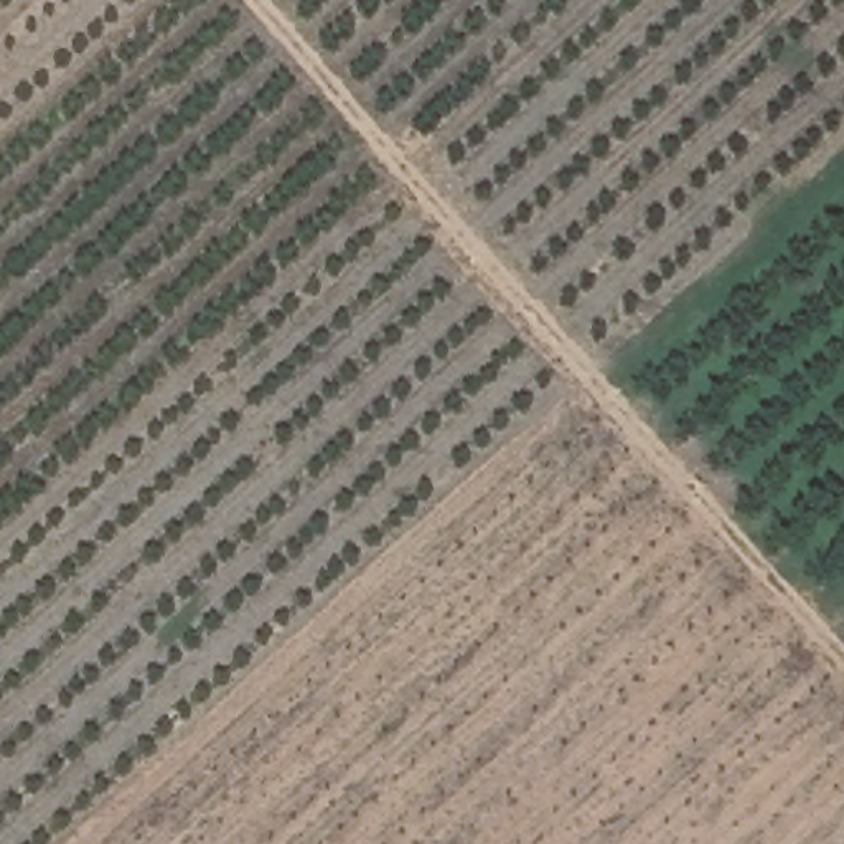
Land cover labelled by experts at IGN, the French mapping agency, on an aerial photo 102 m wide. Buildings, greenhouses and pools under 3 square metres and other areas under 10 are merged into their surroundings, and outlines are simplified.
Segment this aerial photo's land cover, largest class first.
<instances>
[{"label":"deciduous trees","instance_id":"1","mask_svg":"<svg viewBox=\"0 0 844 844\"><path fill-rule=\"evenodd\" d=\"M201 0H112L106 13L89 20V26L79 30L73 43L49 53L40 63V69L16 82V89L0 102V178L30 155V148L43 145L56 125H66L82 109V102L99 96L102 86L115 82L122 66H129L155 36H162L181 13H188ZM445 0H412L409 7H402V20L392 26L396 43H402L425 20H432ZM570 0H537L534 16L518 20L511 26V36L518 43L528 40L534 26L547 20V13H560ZM640 0H620L613 7H603L600 20L593 26H584L580 36L564 40L560 53L554 59L547 56L534 76H524L518 86H511V92L501 96L488 119L458 135L448 145V152L452 162H462L465 152L485 142V135L501 129L511 115H518L521 102L534 99L551 79H557ZM844 3V0H811L804 10L795 13V20L775 26L765 46H758L729 79H722L719 89L709 92L689 115H682L673 132L659 138V145L646 148L640 162L623 168L617 185L603 188L587 204L584 218L551 234V241L531 257L524 244L514 237V227L531 218V204L521 201L508 214L495 195L514 171H521L531 158H537L547 148V142L560 138L574 119L584 115V109H593L603 99L607 86L620 82L640 56H649V49L663 43L666 33H673L689 13H696L702 0H679L663 13L659 23L646 26L643 43L623 46L620 59L603 76L587 79V89L570 96L564 112L547 115V122L534 135H528L521 148H511L508 158L498 162L488 178L475 181L471 195L465 204H458V214L524 280L528 293L544 300L577 343H587L607 333L603 320L597 317L600 310L626 307V313H633L640 307L636 293H620L610 280L597 284L590 270H580L570 284L560 287L547 267L557 264V257H564L584 237V231H590L607 211H613L620 195L633 191L663 162H669L682 142L696 135L699 125H709L725 106H732V99L745 86H752L768 66H778L791 79L778 89L775 99H768L771 122H778L795 106L798 96L811 92V82L821 73H834L831 56L808 49L801 36ZM775 0H742L739 10L725 16L719 30L709 33V40H702L689 56L676 63L679 82H689L692 73H699L709 59H715L725 49V43L739 36V26H748ZM237 26L244 36V43L224 59L214 79L198 82L178 102V109L162 112L155 132L135 135L92 178L73 181L63 208L53 211L43 224H36L23 241H16L0 264V290L7 287V280L23 277L56 241L69 237L76 224H82L138 168H145L155 158L158 145L175 142V135L185 125L198 122L201 112L214 106L224 86L241 79L247 66H254L264 56L267 40L260 20L241 3L218 7L211 20L198 23L178 46L165 49L158 69L132 82V89H125V96H119L102 115H92L79 135L66 138L63 148L49 162H43L36 175L26 178L0 204V234L3 227H10L13 218L33 211L63 171L89 158V152L102 145L109 132L119 129L125 115H132L152 89L181 79L188 66L208 46L221 43L227 30ZM481 13L475 7L465 10V23L458 30H445L415 56L412 66L399 69L392 82L379 86L376 106L369 109L376 119L379 112H389L396 102H402L419 79L442 66L445 56H452L468 36L481 33ZM353 33V16L349 10H340L320 30V49H336ZM386 56L382 43H366L349 63V79H366ZM504 49L501 43H495V49L488 56L471 59L455 76V82L432 92L419 106L412 129L429 132L438 125L442 115L462 106L488 79L491 66H501ZM297 82V69L293 66L284 63L280 69H274L257 92H251L221 125L208 132L204 142H195L181 155V162H175L152 188L138 191V198L119 208L99 227L96 237L82 241L69 267H59L56 277L43 280L33 293H26L16 307H10L0 317V356L20 343V336L43 317L46 307L59 303V297L79 277L92 274L106 257H112L125 244V237L145 227L152 211L165 198L181 195L191 175L204 171L218 155H224L247 132L257 112L274 109L284 99V92ZM666 102V89L653 86L643 99L633 102L626 115L613 119L610 129L593 135L580 155H574L557 171L560 188H570L574 178L587 175L597 158L610 152V142L626 138L633 125H640L653 109ZM330 106L320 96H307L300 112L277 125L270 132V142H260L254 148V158L227 171L214 185V198L221 204L231 201L234 188H241L264 165L277 162V155L297 135L313 129ZM735 204L755 218L752 237L719 270L682 290L640 336L623 340L620 353L607 366V379L636 406V412L656 429V435L666 445L699 438L706 462L715 471L732 475L735 521L771 557L781 577H788L844 640V96L834 99V106L814 125H808L795 142L775 152V158H768L755 171V178H748L735 191ZM349 129L346 125L336 135L317 142L310 152H303L264 195V204H247L224 234H214L198 257H191L168 284L155 290V303L165 313H171L188 290H195L221 264H227L247 244L251 234L264 231V224L274 214H280L293 198H300L310 188V181H317L336 162L343 148V132ZM376 162L373 158L363 162L349 181L330 188L326 201L303 214L293 224V231L284 241H277V257L284 264L297 260L300 251H307L366 191H373ZM211 208L208 201H195L181 211L178 221L165 224L158 241L129 257V280H138L152 264L175 254L198 231ZM732 224L725 208H715L712 221L696 227L692 237L676 244V254L663 257L653 274L643 277L646 290H659V284L669 280L679 267H686L692 254L709 247L712 234ZM373 227H363L353 237H346V244L336 254H326L330 274H340L346 264L359 257L363 247L373 244ZM432 241V237H412V244L382 274H373L353 300H346L323 326H317L303 343H297L290 356H284L260 382H254L234 409L221 412V419L204 435H198L191 448H185L168 468H162L145 488H138L132 501L119 504L115 518H109L89 541H79L73 554H66L49 574H43L33 584V590L20 593L0 613V636H7V630H13L23 617H30L36 603L49 600L56 593V584L76 577V570H82L96 557V551L106 541L115 537V531L129 528L162 491L185 478L221 442V435L237 429L241 415L251 406L274 396L284 382L297 376V369L313 363V353L323 343H330L333 333L346 330L353 317H359L379 293H386L419 257H425ZM274 284L270 257L260 251L237 284H227L218 297H211L201 310L188 317V336L195 343L214 336L241 303L254 300L264 287ZM452 284L445 277H432V284L412 297V303L402 307L399 317H392L376 336L366 340L363 349L373 363L432 310L435 300L448 293ZM106 313V297L89 293L76 313H69L49 336H40L30 356L0 379V406H7L23 386H30L43 366H49L56 349L69 346ZM297 310V297L284 293L277 310L260 317V323L247 330L241 343H234L224 353L221 369H234L241 356L251 353V346H257ZM158 326V320L145 303L135 307L122 323H115V330L99 343L92 356L82 359V366L66 369L59 382L46 389V399L30 406L13 429L0 432V465L10 458L20 438L36 435L49 422V415L69 406L73 396H79L92 379H102L122 353L135 346V340L148 336ZM491 320V310L485 303L475 307L455 326H448L422 356H415V366L406 376L392 379L353 422L336 429L287 481L274 488L267 501L257 504V511L244 524H237L224 541H218L214 551L201 554L198 567H191L148 610H142L132 626L109 640L92 656V663L76 669L73 679L59 686V702L69 706L112 663L125 659V653L148 633L158 636V646H165L168 656L162 663L142 666L132 676V682L109 699V706L96 709L73 739H66L56 752L46 755V762L36 771L26 775L23 785L0 798V824L7 814L20 811V801L33 791L56 788L63 762L79 758L106 725L122 719L132 702L142 699L145 689H152L165 676V669H171L181 659V653L201 646L208 633H214L234 610H241L247 597L260 590L264 577H270L274 570H287L307 551V544H313V537L326 531V514L313 511L287 541H280L267 554L264 564L244 574L224 593V600L214 610L201 597L204 580L218 570V564L234 557V551L244 541H254V534L270 518L293 508L300 501V488H317L320 471L336 465L349 452L359 432L386 419L392 402L409 396L412 382L429 376L432 363L445 359L448 349L465 343L478 326H485ZM524 349L521 340H508L504 346L491 349L485 366L462 376L346 488H340L336 508L346 511L356 498L369 495L373 485L392 465L402 462L406 452H412L429 432L438 429L442 415L458 412L471 392L495 382L501 366L518 359ZM165 369L145 359L119 386L115 399H102L99 406H92L76 422V429L63 432L53 442L49 458H43V471L56 475L59 465L76 462L79 452L92 445L96 432L115 425L122 415L135 409V402L145 392H152ZM359 376L353 359H343V366L320 382L317 392L307 396V402H300L287 419L274 425L277 442H290L293 432L307 429V422H313L330 399L340 396L343 386H349ZM537 382L544 389L534 399L528 389L511 392V399L501 402L491 412V419H485L471 435H465L452 448V462L468 468V475L452 495L432 501L429 478H419L409 491H402L389 514L363 531L369 544H379L376 560L359 567L356 544H343V551H336L320 567L313 584L297 587L293 600L287 607H277L254 630V640L237 646L227 663H218L208 679H198L191 696L178 699V706L168 715H162L145 735L125 745L109 768L96 771L92 781H86V788L66 808H56L53 818L43 828H36L26 844H844V676H834L837 666L831 656L811 653L804 646V633L788 610L768 607L771 590L748 577L745 564L735 554L715 551V531L702 534L699 524L689 518L686 504L666 498L659 478L643 471L630 445L603 425L600 402L564 366L557 373L551 366L537 369ZM204 392H211V379L198 376L188 392H181L148 422V435L125 438L119 455H109L106 465L89 475L82 488L69 491L73 504L92 495L112 471L122 468V462L152 445L171 422L195 409V402ZM254 475V458L241 455L231 468H224L201 491L198 501H191L178 518H171L155 537L145 541V547L125 567H119L99 590H92V600L86 607L69 610L66 620L49 630V636L40 646L26 649L13 669L0 676V699L10 689H20L23 679H30L40 669L43 659H49L63 643H69L89 620H96L119 587H125L148 564H155L165 554V547H171L188 528L201 524L204 514L227 491H234V485L247 481ZM46 485L30 471H20L16 481L0 488V528ZM63 521V511L49 508L46 521L33 524L30 534L16 541L10 554L0 560V580L26 557V551H33ZM53 722V712L46 706H36V712L26 722H20L16 729H10V735L0 739V752L13 755L36 729Z\"/></svg>","mask_w":844,"mask_h":844},{"label":"plowed land","instance_id":"2","mask_svg":"<svg viewBox=\"0 0 844 844\"><path fill-rule=\"evenodd\" d=\"M112 0H0V102L16 89V82L40 69V63L49 53L73 43L79 30L89 26V20L106 13ZM241 3V0H201L188 13H181L162 36H155L129 66H122L115 82L102 86L99 96L82 102V109L66 125H56L43 145L30 148V155L0 178V204L26 178L36 175L43 162H49L63 148L66 138L79 135L92 115H102L119 96H125V89H132V82L158 69L165 49L178 46L198 23L211 20L218 7ZM620 0H570L560 13H547V20L534 26L528 40L518 43L504 49L501 66H491L488 79L462 106L442 115L438 125L429 132L435 145L448 152V145L458 135L488 119L501 96L511 92V86H518L524 76H534L547 56L554 59L560 53L564 40L580 36L584 26H593L600 20L603 7H613ZM679 0H640L557 79H551L534 99L521 102L518 115H511L501 129L485 135V142L465 152L462 162H452V168L462 175V185L471 195L475 181L488 178L498 162L508 158L511 148H521L528 135H534L547 122V115L564 112L570 96L587 89V79L603 76L620 59L623 46L643 43L646 26L659 23L663 13ZM742 0H702L696 13H689L673 33H666L663 43L649 49V56H640L620 82L607 86L603 99L593 109H584V115L574 119L560 138L547 142V148L537 158H531L521 171H514L495 195L508 214L521 201L531 204V218L514 227V237L524 244L531 257L551 241V234L584 218L587 204L603 188L617 185L623 168L640 162L646 148L659 145V138L673 132L682 115H689L709 92L719 89L722 79H729L758 46H765L775 26L795 20V13L804 10L811 0H775L748 26H739V36L725 43V49L715 59H709L699 73H692L689 82H679L676 63L689 56L702 40H709V33L719 30L725 16L739 10ZM653 86L666 89V102L653 109L640 125H633L626 138L610 142V152L597 158L587 175L574 178L570 188H560L557 171L574 155H580L593 135L610 129L613 119L626 115L633 102L643 99ZM808 49L831 56L834 73H821L811 82V92L798 96L795 106L778 122H771L768 99H775L778 89L791 79L778 66H768L752 86H745L732 99V106H725L709 125H699L696 135L682 142L669 162H663L633 191L620 195L613 211H607L590 231H584V237L564 257H557V264L547 267L560 287L570 284L580 270H590L597 284L610 280L620 293H636L640 307L633 313H626V307L600 310L597 317L603 320L607 333L587 343L590 356L607 366L620 353L623 340L640 336L682 290L719 270L752 237L755 218L735 204V191L748 178H755V171L768 158H775V152L795 142L808 125H814L834 106V99L844 96V3L801 36ZM715 208H725L732 224L712 234L709 247L692 254L686 267H679L669 280L659 284V290H646L643 277L653 274L663 257L676 254V244L692 237L696 227L712 221ZM244 43V36L237 26L227 30L221 43L208 46L188 66L181 79L152 89L132 115H125L119 129L109 132L102 145L89 152V158L63 171L33 211L13 218L10 227H3L0 234V264L16 241H23L36 224H43L53 211L63 208L73 181L92 178L135 135L155 132L162 112L178 109V102L198 82L214 79L224 59ZM284 63L293 66L284 46L267 40L264 56L254 66H247L241 79L224 86L214 106L201 112L198 122L185 125L175 135V142L158 145L155 158L145 168H138L82 224H76L69 237L56 241L23 277L7 280V287L0 290V317L10 307H16L26 293H33L43 280L56 277L59 267H69L82 241L96 237L99 227L119 208L138 198V191L152 188L175 162H181V155L195 142H204L208 132L221 125L251 92H257L274 69H280ZM307 96H320L313 82L297 69V82L284 92V99L274 109L257 112L247 132L224 155H218L204 171L191 175L181 195L165 198L152 211L145 227L125 237V244L112 257H106L92 274L79 277L59 297V303L46 307L43 317L20 336V343L0 356V379L30 356L40 336H49L69 313H76L89 293L106 297V313L69 346L56 349L49 366H43L30 386H23L7 406H0V432L13 429L30 406L46 399V389L59 382L66 369L82 366V359L92 356L99 343L115 330V323H122L135 307L145 303L158 320V326L148 336L135 340V346L122 353L102 379H92L79 396H73L69 406L49 415V422L36 435L20 438L10 458L0 465V488L16 481L20 471H30L46 485L0 528V560L10 554L16 541L30 534L33 524L46 521L49 508L63 511V521L33 551H26V557L0 580V613L20 593L33 590V584L43 574H49L66 554H73L79 541H89L109 518H115L119 504L132 501L138 488H145L162 468H168L185 448H191L198 435H204L221 419V412L234 409L254 382H260L284 356H290L297 343H303L317 326H323L346 300H353L373 274H382L412 244V237H432L438 224L419 211L415 195L406 191V185H399L386 171L382 162H376L373 191H366L307 251H300L297 260L284 264L277 257V241H284L293 231V224L303 214L326 201L330 188L349 181L363 162L373 158L363 135L349 129L343 132V148L336 162L317 181H310V188L300 198H293L280 214H274L264 224V231L251 234L247 244L227 264H221L195 290H188L171 313H165L155 303V290L168 284L191 257H198L214 234H224L247 204H264V195L303 152H310L317 142L336 135L346 125V119L330 106L313 129L297 135L277 155V162L264 165L241 188H234L231 201L221 204L214 198V185L227 171L254 158V148L260 142H270V132L277 125L300 112ZM195 201H208L211 208L198 231L175 254L152 264L138 280H129V257L158 241L165 224L178 221L181 211ZM363 227H373V244L363 247L359 257L346 264L340 274H330L326 254H336L346 244V237H353ZM260 251L270 257L274 284L264 287L254 300L241 303L214 336L195 343L188 336V317L201 310L211 297H218L227 284H237ZM284 293L297 297V310L257 346H251V353L241 356L234 369H221L224 353L234 343H241L247 330L260 323V317L277 310ZM145 359L165 369L152 392H145L135 402V409L122 415L115 425L96 432L92 445L79 452L76 462L59 465L56 475L43 471V458H49L53 442L63 432L76 429V422L92 406H99L102 399H115L119 386ZM198 376L211 379V392H204L195 402V409L171 422L152 445L122 462V468L112 471L92 495L73 504L69 491L82 488L89 475L106 465L109 455H119L125 438L148 435V422L181 392H188ZM468 257H452L438 241H432L425 257H419L386 293H379L359 317H353L346 330L333 333L330 343H323L313 353V363L297 369V376L284 382L274 396L251 406L241 415L237 429L221 435V442L185 478L162 491L129 528L115 531V537L106 541L96 551V557L82 570H76V577L56 584V593L49 600L36 603L30 617H23L13 630H7V636H0V676L13 669L26 649L40 646L49 636V630L66 620L69 610L86 607L92 600V590H99L119 567H125L145 547V541L155 537L171 518H178L191 501H198L201 491L224 468H231L241 455L254 458V475L247 481L234 485V491H227L204 514L201 524L188 528L171 547H165V554L155 564H148L125 587H119L96 620H89L69 643H63L49 659H43L40 669L30 679H23L20 689H10L0 699V739L10 735V729H16L20 722H26L36 712V706H46L53 712V722L36 729L13 755L0 752V798L23 785L26 775L36 771L46 762V755L56 752L66 739H73L96 709L109 706V699L132 682V676L142 666L162 663L168 656L165 646H158V636L148 633L125 653V659L112 663L69 706L59 702V686L73 679L76 669L92 663V656L109 640L132 626L142 610H148L191 567H198L201 554L214 551L218 541H224L237 524H244L257 511V504L267 501L274 488L287 481L336 429L353 422L392 379L406 376L415 366V356H422L448 326H455L475 307L485 303V297L478 293L481 277H462ZM432 277H445L452 284L448 293L435 300L432 310L373 363L363 349L366 340L376 336L392 317H399L402 307L412 303V297L432 284ZM343 359H353L359 376L349 386H343L340 396L330 399L313 422H307V429L293 432L290 442H277L274 425L287 419L300 402H307V396L317 392L320 382L343 366ZM508 340H521L524 349L518 359L501 366L495 382L471 392L458 412L442 415L438 429L429 432L412 452H406L402 462L392 465L373 485L369 495L356 498L346 511L336 508L340 488H346L462 376L485 366L491 349L504 346ZM551 366L557 373L564 366L557 356H551L547 346L531 340L524 317L491 310V320L485 326H478L465 343L448 349L445 359L432 363L429 376L412 382L409 396L392 402L386 419L359 432L349 452L336 465L320 471L317 488H300V501L293 508L270 518L254 534V541H244L234 551V557L218 564V570L204 580L201 597L214 610L224 600V593L244 574L264 564L267 554L280 541H287L313 511L326 514V531L313 537V544H307V551L287 570H274L270 577H264L260 590L247 597L241 610H234L214 633H208L201 646L181 653V659L171 669H165V676L152 689H145L142 699L132 702L122 719L106 725L79 758L63 762L56 788L33 791L20 801V811L7 814L0 824V844H26L36 828H43L53 818L56 808H66L86 788V781H92L96 771L109 768L125 745L145 735L162 715H168L178 706V699L191 696L198 679H208L218 663H227L237 646L254 640V630L277 607H287L293 600L297 587L313 584L320 567L336 551H343V544H356L359 567L376 560L379 544H369L363 531L389 514L402 491H409L419 478H429L432 501L452 495L468 475V468L452 462V448L465 435H471L485 419H491V412L501 402L511 399V392L528 389L534 399L544 389L537 382V369Z\"/></svg>","mask_w":844,"mask_h":844},{"label":"pervious surface","instance_id":"3","mask_svg":"<svg viewBox=\"0 0 844 844\"><path fill-rule=\"evenodd\" d=\"M241 3L260 20L267 40L284 46L293 66L297 69L313 82L320 96L330 106L346 119V125L349 129L363 135L373 158L376 162H382L386 171L399 185H406V191L415 195L419 211L438 224L432 237V241H438L452 257H468L462 277H481L478 293L485 297V303L491 310L524 317L531 340L547 346L551 356H557L564 366L600 402L603 425L630 445L643 471L659 478L666 498L686 504L689 518L699 524L702 534L715 531V551L735 554L745 564L748 577L771 590L768 607L788 610L804 633V646L811 653L831 656L837 666L834 676H844V640L788 577H781L771 557L735 521L732 475L715 471L706 462L699 438L666 445L656 435V429L636 412V406L607 379V366L590 356L587 343H577L544 300L528 293L524 280L458 214V204H465L471 195L462 185V175L452 168V162L448 152L435 145L429 132L412 129H406L402 135H389L379 129L376 119L369 109L356 102L349 82L326 66L320 49V46H313L297 30L300 0H241Z\"/></svg>","mask_w":844,"mask_h":844},{"label":"herbaceous vegetation","instance_id":"4","mask_svg":"<svg viewBox=\"0 0 844 844\"><path fill-rule=\"evenodd\" d=\"M412 0H300L297 30L313 46H320V30L340 10H349L353 16V33L336 49H320L326 66L349 82L356 102L369 109L376 106L379 86L392 82L399 69L412 66L415 56L445 30H458L465 23V10L475 7L481 13V33L468 36L452 56H445L442 66L419 79L402 102H396L389 112H379L376 119L379 129L389 135H402L406 129H412L419 106L432 92L455 82V76L471 59L488 56L495 49V43H501L504 49L518 43L511 36V26L518 20L534 16L537 0H445L432 20H425L402 43H396L392 26L402 20V7H409ZM366 43H382L386 56L366 79H349V63Z\"/></svg>","mask_w":844,"mask_h":844}]
</instances>
